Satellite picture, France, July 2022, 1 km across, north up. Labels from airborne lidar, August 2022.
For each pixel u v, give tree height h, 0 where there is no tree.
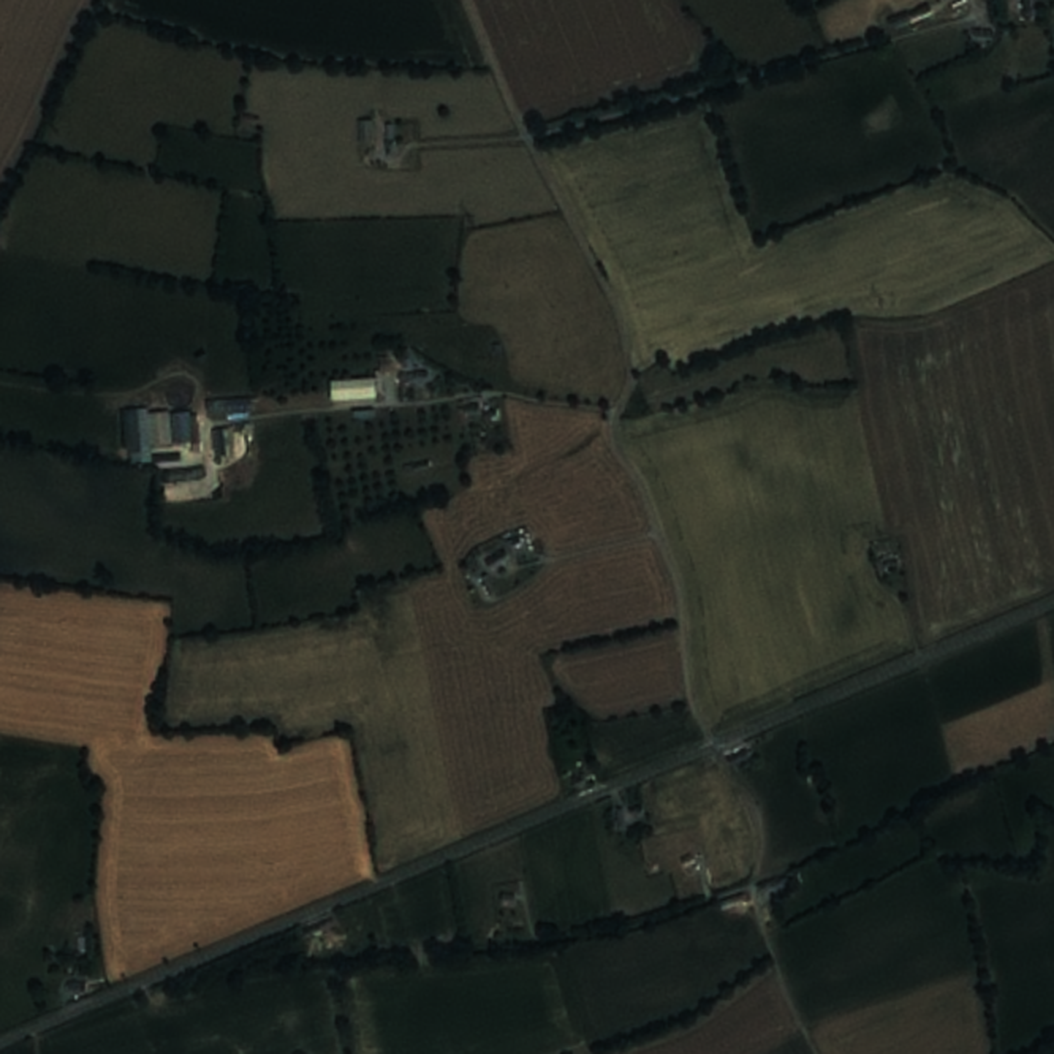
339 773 0
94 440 0
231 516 0
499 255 0
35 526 0
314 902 0
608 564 0
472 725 0
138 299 0
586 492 0
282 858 0
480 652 0
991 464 0
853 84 0
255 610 7
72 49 16
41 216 0
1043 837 13
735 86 14
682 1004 0
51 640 0
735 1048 0
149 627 0
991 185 9
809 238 0
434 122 0
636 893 0
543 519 0
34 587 15
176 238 0
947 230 0
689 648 0
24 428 0
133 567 0
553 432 0
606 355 0
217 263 9
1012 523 0
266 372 6
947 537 0
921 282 0
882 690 0
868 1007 0
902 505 0
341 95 0
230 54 12
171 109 0
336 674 0
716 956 0
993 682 0
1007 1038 0
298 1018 0
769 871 0
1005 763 7
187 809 0
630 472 0
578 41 0
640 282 0
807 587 0
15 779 0
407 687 0
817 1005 0
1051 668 0
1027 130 0
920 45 0
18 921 0
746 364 0
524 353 0
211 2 0
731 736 0
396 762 0
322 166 0
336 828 0
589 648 10
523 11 0
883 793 0
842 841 8
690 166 0
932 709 0
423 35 0
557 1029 0
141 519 0
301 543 14
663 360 15
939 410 0
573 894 0
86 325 0
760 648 0
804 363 0
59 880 0
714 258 0
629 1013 0
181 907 0
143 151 0
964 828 0
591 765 14
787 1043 0
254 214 0
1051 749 12
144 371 0
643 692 0
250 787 0
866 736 0
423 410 6
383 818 0
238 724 14
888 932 0
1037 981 0
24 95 0
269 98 0
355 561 0
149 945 0
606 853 0
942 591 0
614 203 0
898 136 0
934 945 0
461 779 0
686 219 0
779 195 0
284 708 0
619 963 0
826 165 0
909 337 0
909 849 0
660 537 0
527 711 0
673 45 0
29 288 0
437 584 0
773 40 0
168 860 0
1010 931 0
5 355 0
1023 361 0
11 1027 0
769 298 0
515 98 0
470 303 0
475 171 0
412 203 0
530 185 0
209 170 0
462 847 0
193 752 0
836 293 0
